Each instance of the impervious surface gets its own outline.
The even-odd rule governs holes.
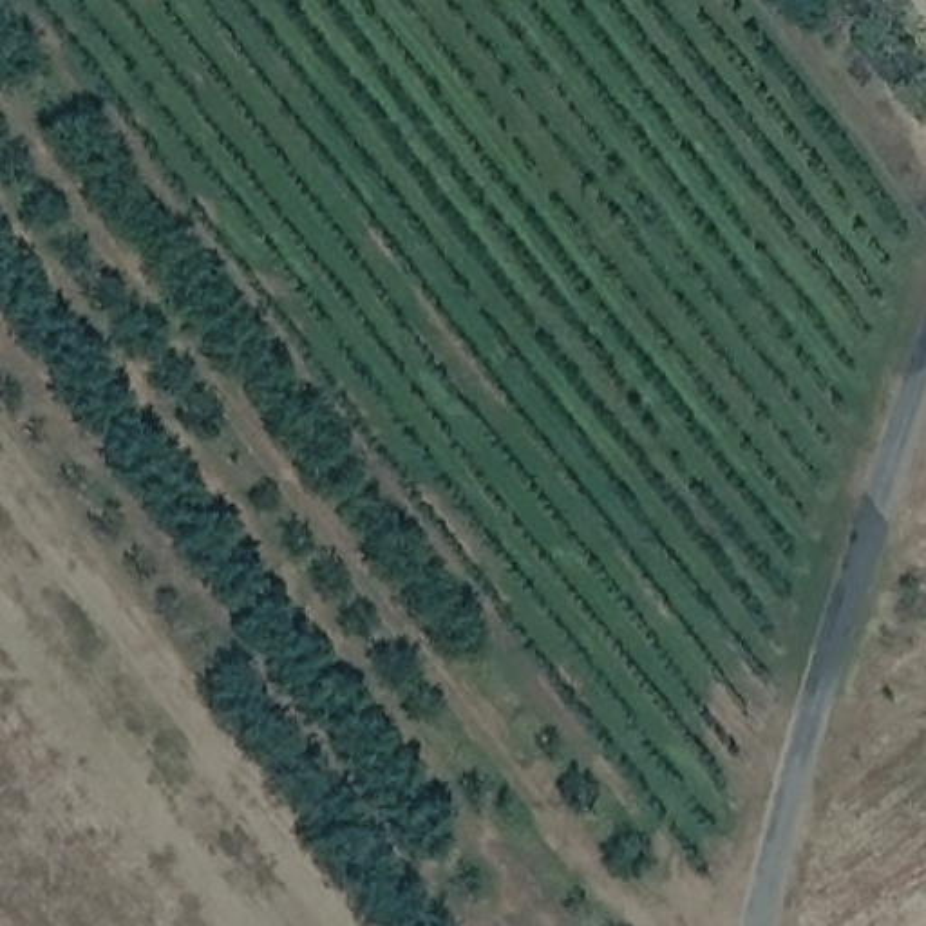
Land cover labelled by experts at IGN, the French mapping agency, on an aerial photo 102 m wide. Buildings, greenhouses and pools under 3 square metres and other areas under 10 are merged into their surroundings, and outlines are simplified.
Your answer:
[[[745,926],[774,926],[778,886],[799,799],[807,789],[807,767],[817,742],[821,713],[832,684],[843,676],[850,633],[861,622],[875,557],[886,539],[886,510],[893,503],[904,452],[926,402],[926,322],[904,365],[901,394],[872,481],[861,496],[843,572],[817,637],[814,666],[799,702],[799,720],[792,731],[770,825],[763,836]]]

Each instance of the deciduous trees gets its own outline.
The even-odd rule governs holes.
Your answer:
[[[221,430],[224,409],[192,365],[210,358],[213,369],[235,376],[253,409],[260,412],[260,423],[271,434],[271,441],[297,467],[300,481],[336,506],[336,517],[358,535],[358,550],[369,561],[369,568],[391,582],[405,611],[430,637],[441,658],[474,658],[485,651],[488,626],[477,600],[496,600],[506,629],[517,633],[521,647],[546,673],[550,687],[586,723],[586,731],[600,742],[604,756],[622,770],[622,778],[637,789],[644,803],[644,810],[633,821],[619,825],[600,843],[604,868],[615,879],[644,875],[655,861],[655,832],[669,832],[673,843],[684,850],[691,872],[705,875],[709,857],[702,843],[709,836],[731,836],[738,828],[727,774],[702,738],[713,720],[709,691],[720,684],[727,669],[738,669],[742,662],[752,666],[752,673],[767,676],[770,633],[781,629],[785,615],[799,615],[799,600],[792,600],[792,575],[810,575],[821,543],[807,535],[796,539],[796,532],[807,521],[807,506],[817,503],[817,488],[832,477],[817,459],[832,441],[832,427],[843,423],[846,412],[857,412],[857,420],[872,423],[872,405],[879,402],[883,387],[854,365],[854,358],[861,351],[886,347],[883,336],[872,333],[872,322],[893,318],[897,304],[883,297],[879,282],[890,275],[890,257],[901,250],[908,235],[908,221],[897,199],[886,192],[868,156],[854,145],[850,130],[817,98],[799,65],[781,51],[781,43],[796,29],[807,29],[825,36],[825,43],[832,47],[832,25],[850,22],[850,54],[843,61],[850,65],[861,58],[868,80],[904,87],[926,69],[926,0],[0,0],[0,83],[14,87],[36,109],[65,101],[80,90],[101,98],[101,112],[58,119],[54,127],[43,127],[43,137],[58,163],[72,177],[80,177],[83,199],[101,213],[116,239],[137,250],[145,275],[163,289],[156,304],[137,300],[123,275],[101,275],[105,260],[90,253],[87,232],[58,235],[51,239],[51,250],[72,271],[83,297],[101,304],[112,318],[112,329],[98,333],[94,340],[83,340],[76,329],[83,315],[69,311],[65,318],[58,318],[54,300],[61,293],[51,289],[40,260],[22,239],[11,235],[11,224],[58,224],[69,213],[69,199],[36,170],[29,145],[11,134],[0,112],[0,311],[18,344],[47,362],[51,394],[61,405],[69,405],[80,427],[101,438],[105,467],[119,474],[123,485],[141,499],[145,514],[174,535],[174,546],[188,561],[188,568],[228,604],[228,615],[235,608],[250,611],[250,619],[242,622],[242,647],[253,662],[228,666],[217,676],[217,691],[206,702],[217,727],[232,734],[235,745],[264,770],[268,792],[289,803],[300,846],[315,857],[329,883],[347,893],[351,912],[362,926],[456,926],[449,908],[423,890],[420,879],[423,861],[452,846],[452,803],[430,799],[430,778],[423,770],[423,760],[409,760],[409,742],[398,734],[398,727],[383,727],[376,716],[369,716],[373,695],[365,691],[365,680],[351,684],[336,676],[340,658],[329,637],[322,633],[311,640],[293,629],[293,615],[300,608],[289,597],[271,600],[264,561],[239,561],[235,550],[246,539],[246,532],[239,524],[239,514],[213,514],[217,496],[206,492],[195,459],[177,441],[166,445],[166,430],[152,434],[141,423],[145,405],[134,402],[127,365],[134,358],[148,362],[148,383],[174,398],[174,416],[199,438],[213,438]]]
[[[514,789],[499,774],[463,770],[459,778],[445,781],[449,799],[467,792],[470,807],[477,810],[485,792],[496,799],[496,810],[510,803]]]
[[[344,633],[362,637],[376,622],[376,608],[373,600],[358,597],[354,604],[344,604],[336,611],[336,622]]]
[[[322,600],[329,600],[336,590],[351,582],[344,561],[333,550],[307,572]]]
[[[568,810],[582,814],[597,807],[600,781],[590,767],[579,767],[575,760],[568,763],[568,770],[557,774],[557,792]]]
[[[445,691],[427,680],[416,647],[398,637],[376,640],[369,655],[380,666],[383,684],[398,691],[402,709],[412,720],[430,723],[449,705]]]
[[[300,553],[311,553],[315,532],[307,521],[293,517],[282,521],[282,550],[297,561]]]

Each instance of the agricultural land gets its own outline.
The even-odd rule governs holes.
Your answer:
[[[893,503],[886,510],[886,539],[875,557],[861,622],[850,633],[843,676],[832,684],[821,713],[817,742],[807,767],[807,789],[799,799],[778,886],[774,926],[926,926],[926,619],[915,622],[897,615],[897,590],[904,572],[915,572],[919,590],[926,593],[926,402],[904,452]]]
[[[54,485],[36,470],[36,463],[25,452],[25,441],[11,434],[7,409],[0,412],[0,926],[362,926],[351,912],[347,893],[329,883],[315,857],[300,846],[289,803],[268,792],[264,770],[235,745],[232,734],[217,727],[206,702],[199,695],[195,673],[170,647],[159,615],[137,604],[134,575],[105,561],[101,539],[90,532],[87,521],[65,514],[69,488]]]

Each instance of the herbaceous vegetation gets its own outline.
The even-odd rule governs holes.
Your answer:
[[[65,514],[87,521],[90,532],[101,539],[105,561],[134,575],[137,604],[159,615],[170,647],[195,673],[199,695],[206,702],[217,691],[217,676],[228,666],[253,662],[242,647],[242,622],[250,619],[250,611],[235,608],[228,615],[228,604],[188,568],[188,561],[174,546],[174,535],[145,514],[141,499],[123,485],[119,474],[105,467],[101,438],[80,427],[69,405],[61,405],[51,394],[47,362],[18,344],[0,311],[0,412],[7,409],[11,434],[25,441],[25,452],[36,463],[36,470],[54,485],[69,488]]]
[[[293,629],[311,640],[322,633],[329,637],[340,658],[336,676],[351,684],[365,680],[365,691],[373,695],[369,716],[376,716],[383,727],[398,727],[398,734],[409,742],[409,760],[423,760],[423,770],[430,778],[430,799],[452,803],[452,846],[423,861],[420,879],[423,890],[449,908],[456,926],[745,926],[763,836],[770,825],[792,731],[799,720],[799,702],[814,666],[817,637],[843,572],[861,496],[872,481],[901,394],[904,365],[926,322],[926,69],[904,87],[868,80],[861,58],[850,65],[843,61],[850,54],[850,22],[832,25],[832,47],[825,43],[825,36],[807,29],[796,29],[781,43],[781,51],[799,65],[817,98],[850,130],[854,145],[868,156],[886,192],[897,199],[908,221],[908,235],[901,250],[890,257],[890,275],[879,282],[883,297],[897,304],[893,318],[872,322],[872,333],[883,336],[886,347],[861,351],[854,358],[854,365],[883,387],[879,402],[872,405],[872,423],[857,420],[857,412],[846,412],[843,423],[832,427],[832,441],[817,459],[832,477],[817,488],[817,503],[807,506],[807,521],[796,532],[796,539],[807,535],[821,543],[810,575],[792,575],[792,600],[799,600],[799,615],[785,615],[781,629],[770,633],[767,676],[752,673],[752,666],[742,662],[738,669],[727,669],[720,684],[709,691],[713,720],[702,738],[727,774],[738,828],[731,836],[709,836],[702,843],[709,857],[705,875],[691,872],[684,850],[673,843],[669,832],[655,832],[655,861],[644,875],[615,879],[604,868],[600,843],[619,825],[633,821],[644,810],[644,803],[637,789],[622,778],[622,770],[604,756],[600,742],[586,731],[586,723],[550,687],[546,673],[521,647],[517,633],[506,629],[496,600],[477,600],[488,626],[485,651],[474,658],[441,658],[430,637],[405,611],[391,582],[369,568],[369,561],[358,550],[358,535],[336,517],[336,506],[300,481],[297,467],[271,441],[271,434],[260,423],[260,412],[253,409],[235,376],[213,369],[210,358],[192,365],[224,409],[221,430],[213,438],[199,438],[174,416],[174,398],[148,383],[148,362],[134,358],[127,365],[134,402],[145,405],[141,423],[152,434],[166,430],[166,445],[177,441],[195,459],[206,492],[217,496],[213,514],[239,514],[239,524],[246,532],[246,539],[235,550],[239,561],[264,561],[271,600],[289,597],[300,608],[293,615]],[[307,521],[315,532],[311,553],[300,553],[297,561],[282,550],[282,521],[293,517]],[[333,550],[344,561],[351,582],[336,590],[329,600],[322,600],[307,572]],[[344,604],[354,604],[358,597],[373,600],[376,608],[376,622],[362,637],[344,633],[336,622],[336,611]],[[430,723],[412,720],[402,709],[398,691],[383,684],[380,666],[369,655],[376,640],[398,637],[416,647],[427,680],[445,691],[449,705]],[[582,814],[568,810],[557,792],[557,774],[568,770],[568,763],[575,760],[579,767],[590,767],[600,781],[597,807]],[[449,799],[445,781],[459,778],[463,770],[499,774],[514,789],[510,803],[496,810],[496,799],[485,792],[477,810],[470,807],[467,792]]]
[[[0,83],[0,112],[11,134],[29,145],[36,170],[69,199],[69,213],[58,224],[11,224],[11,235],[22,239],[40,260],[51,289],[61,293],[54,300],[58,318],[65,318],[69,311],[83,315],[76,329],[83,340],[94,340],[98,333],[112,329],[112,318],[101,304],[83,297],[72,271],[51,250],[51,239],[58,235],[87,232],[90,253],[105,260],[101,275],[123,275],[137,300],[156,304],[163,289],[145,275],[137,250],[116,239],[101,213],[83,199],[80,177],[72,177],[58,163],[43,137],[43,127],[54,127],[58,119],[101,112],[101,98],[80,90],[65,101],[36,109],[14,87]]]

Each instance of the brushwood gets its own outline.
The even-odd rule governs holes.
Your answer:
[[[926,593],[919,590],[915,572],[904,572],[897,590],[897,615],[915,622],[926,619]]]

